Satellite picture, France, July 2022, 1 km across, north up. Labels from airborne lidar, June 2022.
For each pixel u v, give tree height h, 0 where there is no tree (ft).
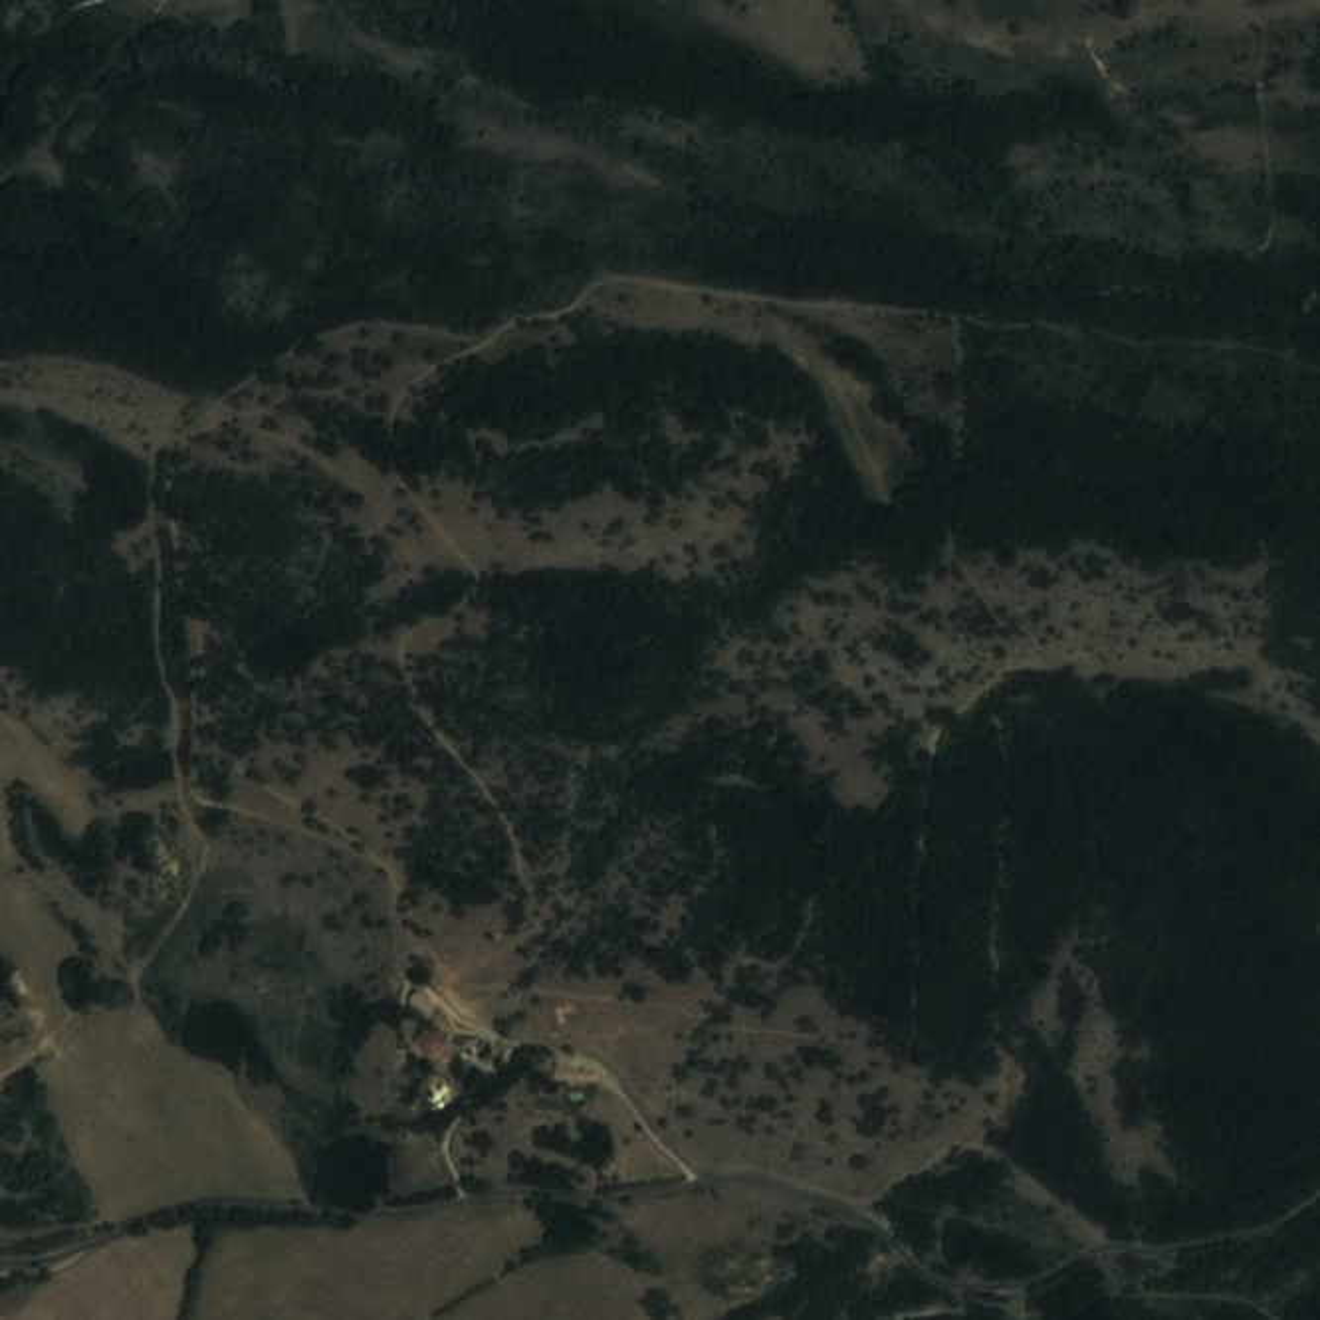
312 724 20
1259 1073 36
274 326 27
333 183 33
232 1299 0
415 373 0
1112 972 25
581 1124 26
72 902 0
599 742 30
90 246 33
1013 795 39
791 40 0
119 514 29
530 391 40
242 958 0
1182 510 30
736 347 20
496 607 30
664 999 0
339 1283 0
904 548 34
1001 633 21
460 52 27
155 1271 0
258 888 0
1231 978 27
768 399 32
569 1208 29
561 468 26
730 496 22
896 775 19
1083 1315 42
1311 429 23
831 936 29
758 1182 0
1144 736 34
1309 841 39
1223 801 32
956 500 41
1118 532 26
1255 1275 20
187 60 48
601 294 0
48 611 22
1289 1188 30
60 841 24
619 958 28
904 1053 26
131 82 31
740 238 39
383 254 27
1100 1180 38
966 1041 33
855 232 28
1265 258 27
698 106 35
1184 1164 28
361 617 20
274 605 29
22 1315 0
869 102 39
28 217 29
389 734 33
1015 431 26
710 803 27
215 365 21
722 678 26
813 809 48
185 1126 0
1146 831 30
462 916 23
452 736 26
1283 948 31
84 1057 0
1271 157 0
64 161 29
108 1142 0
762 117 33
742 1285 0
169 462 25
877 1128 20
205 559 31
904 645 21
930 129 41
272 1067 20
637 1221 0
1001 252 34
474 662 22
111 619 22
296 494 25
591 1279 0
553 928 27
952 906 31
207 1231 48
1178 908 21
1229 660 0
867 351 34
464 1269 0
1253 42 0
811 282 23
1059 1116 36
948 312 24
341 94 40
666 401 26
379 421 31
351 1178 38
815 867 52
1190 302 21
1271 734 32
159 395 0
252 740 25
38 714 0
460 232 23
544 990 0
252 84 34
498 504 22
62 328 22
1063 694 25
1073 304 32
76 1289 0
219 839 0
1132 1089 25
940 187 31
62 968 26
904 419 25
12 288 47
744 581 20
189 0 0
